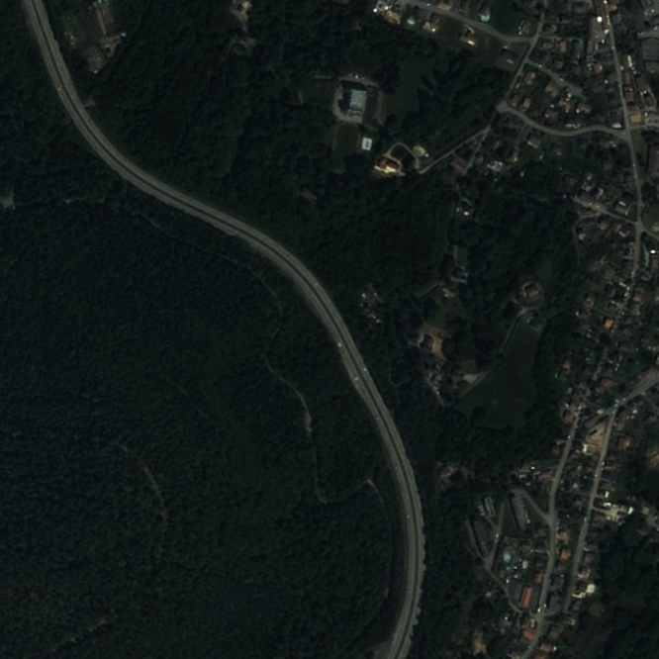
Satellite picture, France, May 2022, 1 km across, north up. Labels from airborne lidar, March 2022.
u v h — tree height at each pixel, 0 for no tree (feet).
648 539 33
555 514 0
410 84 0
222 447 52
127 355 46
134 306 78
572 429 0
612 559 73
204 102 67
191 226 70
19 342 33
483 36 0
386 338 29
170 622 61
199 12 85
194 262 97
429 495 47
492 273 102
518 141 0
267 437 70
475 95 99
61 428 68
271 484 62
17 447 70
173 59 67
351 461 65
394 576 43
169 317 72
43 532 74
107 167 41
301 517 87
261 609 68
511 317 33
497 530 0
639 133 0
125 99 82
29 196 118
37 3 0
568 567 0
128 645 66
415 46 32
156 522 80
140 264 85
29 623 49
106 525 69
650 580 62
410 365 72
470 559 51
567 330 70
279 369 62
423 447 51
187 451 30
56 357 42
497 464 74
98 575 96
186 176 74
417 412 52
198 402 72
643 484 29
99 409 76
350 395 50
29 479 76
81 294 54
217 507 28
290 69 78
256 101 75
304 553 46
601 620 0
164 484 34
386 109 0
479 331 53
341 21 88
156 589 49
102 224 71
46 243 58
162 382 53
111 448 56
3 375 50
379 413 0
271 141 84
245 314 81
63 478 87
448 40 0
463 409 0
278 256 0
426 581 43
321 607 97
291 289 44
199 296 94
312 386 54
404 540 45
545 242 88
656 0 0
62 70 0
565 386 0
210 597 65
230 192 97
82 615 98
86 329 37
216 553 36
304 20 79
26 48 55
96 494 81
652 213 0
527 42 0
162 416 40
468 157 30
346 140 0
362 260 89
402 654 0
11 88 104
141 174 0
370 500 43
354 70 0
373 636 50
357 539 49
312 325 44
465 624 0
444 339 0
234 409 83
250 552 44
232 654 70
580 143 0
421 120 69
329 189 75
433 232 70
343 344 0
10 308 48
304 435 60
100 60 0
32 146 120
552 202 0
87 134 0
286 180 78
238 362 79
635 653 51
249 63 87
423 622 47
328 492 67
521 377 0
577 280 48
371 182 34
